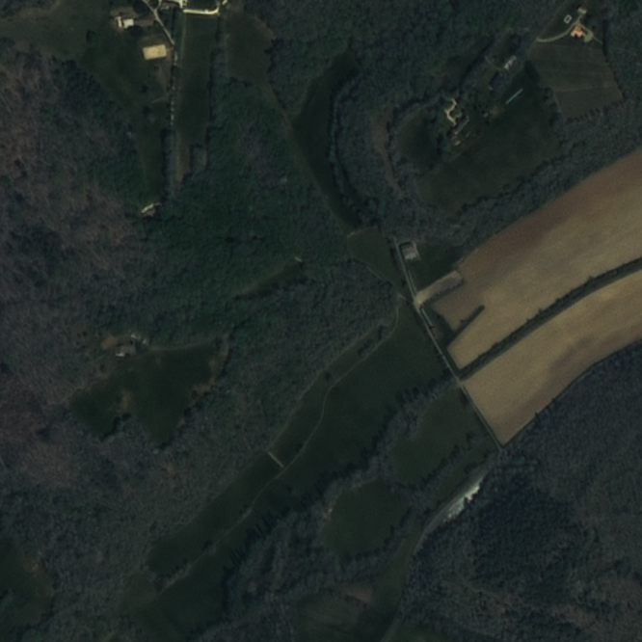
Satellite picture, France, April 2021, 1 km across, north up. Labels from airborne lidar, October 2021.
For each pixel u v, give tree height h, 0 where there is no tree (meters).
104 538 27
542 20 21
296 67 27
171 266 21
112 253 11
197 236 25
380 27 21
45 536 15
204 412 22
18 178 7
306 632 0
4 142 9
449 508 0
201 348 0
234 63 0
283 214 22
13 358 20
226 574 0
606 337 0
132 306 21
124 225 21
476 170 0
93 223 23
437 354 10
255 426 16
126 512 19
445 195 0
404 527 13
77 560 12
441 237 17
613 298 0
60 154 21
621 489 12
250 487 0
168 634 0
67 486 21
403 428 31
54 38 0
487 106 7
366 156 18
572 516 11
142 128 0
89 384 13
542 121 0
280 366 17
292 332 16
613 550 15
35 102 18
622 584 22
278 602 32
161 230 22
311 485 0
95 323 11
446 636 13
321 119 0
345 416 0
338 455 0
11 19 20
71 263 22
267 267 25
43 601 0
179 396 0
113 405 0
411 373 0
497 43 20
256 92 16
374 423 0
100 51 0
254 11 23
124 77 0
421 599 16
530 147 0
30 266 13
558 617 9
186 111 0
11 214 17
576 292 9
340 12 24
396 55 27
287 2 19
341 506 0
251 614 36
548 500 10
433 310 0
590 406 16
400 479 0
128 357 7
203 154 20
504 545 12
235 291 27
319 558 16
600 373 15
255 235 23
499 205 15
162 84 0
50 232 19
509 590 5
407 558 0
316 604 0
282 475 0
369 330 17
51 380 22
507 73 11
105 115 21
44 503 24
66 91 18
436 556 11
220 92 24
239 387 23
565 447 15
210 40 0
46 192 19
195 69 0
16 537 20
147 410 0
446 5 27
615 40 21
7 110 17
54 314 20
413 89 15
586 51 0
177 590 0
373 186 21
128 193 25
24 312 22
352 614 0
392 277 0
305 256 22
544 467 11
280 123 23
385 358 0
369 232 0
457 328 0
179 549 0
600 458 15
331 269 22
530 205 20
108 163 20
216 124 19
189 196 21
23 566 0
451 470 18
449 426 0
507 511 14
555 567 11
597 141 21
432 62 28
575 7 6
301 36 24
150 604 0
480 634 12
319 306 12
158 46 0
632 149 17
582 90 0
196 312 20
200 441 21
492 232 22
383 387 0
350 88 15
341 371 0
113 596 23
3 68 17
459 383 29
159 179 0
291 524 18
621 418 15
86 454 13
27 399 10
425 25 34
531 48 18
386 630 0
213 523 0
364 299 16
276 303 20
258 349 19
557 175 21
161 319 9
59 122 20
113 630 28
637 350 9
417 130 0
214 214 23
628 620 14
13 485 21
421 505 21
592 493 14
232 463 19
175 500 19
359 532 0
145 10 9
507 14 22
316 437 0
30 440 7
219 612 0
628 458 12
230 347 15
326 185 0
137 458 18
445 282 0
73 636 26
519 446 9
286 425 18
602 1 18
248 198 19
